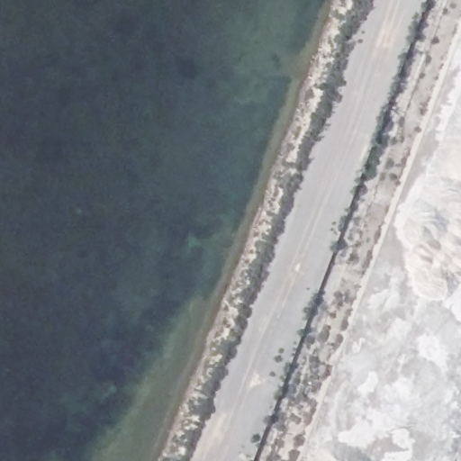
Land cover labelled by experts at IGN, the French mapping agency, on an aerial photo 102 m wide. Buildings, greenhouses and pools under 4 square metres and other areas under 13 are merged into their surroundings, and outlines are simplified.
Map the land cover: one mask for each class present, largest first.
<instances>
[{"label":"water","instance_id":"1","mask_svg":"<svg viewBox=\"0 0 461 461\"><path fill-rule=\"evenodd\" d=\"M331 0H0V461H157L167 439L184 400V394L187 393V387L191 384V378L202 358L207 333L220 312L223 294L229 290L230 279L234 276V270L245 252L252 221L263 205L270 178V169L276 164L277 155L281 153V144L286 137L290 124L294 122L301 88L312 72L313 58L317 56V50L321 47L322 32L326 31V25L330 22Z\"/></svg>","mask_w":461,"mask_h":461},{"label":"pervious surface","instance_id":"2","mask_svg":"<svg viewBox=\"0 0 461 461\"><path fill-rule=\"evenodd\" d=\"M353 7V0H331L330 22L326 25V31L322 32L321 47L317 50V56L313 58L312 72L301 88L294 122L290 124L286 137L292 144L288 162L297 160L304 137L310 130L312 115L321 103L322 83H326L328 79V63L335 61V52L339 49L337 34L340 27L348 22L346 13ZM425 4V0H375L371 13L367 14L366 22H362L351 38L353 50L349 52L348 67L344 70L346 83L339 88L340 101L333 104V112L322 130L321 140L313 146L310 153V166L304 171L303 184L295 193L294 207L286 216L285 230L277 240L274 259L268 265L267 279L263 281L258 297L252 304V313L241 337V344L236 349L234 358L230 360L227 376L221 380L220 389L214 396V412L205 423V429L196 443L191 461H252L256 454V443L252 441V436L263 434L268 416L274 412L276 393L283 385L285 367L292 362L295 346L299 342V333L306 324L304 310L308 308L313 295L321 286L324 270L330 261L331 245L339 240L340 218L348 211L357 178L362 173L367 153L371 149L378 117L389 99L394 76L400 68V56L409 49L407 36L411 32L414 14L421 13V5ZM393 126L389 130L387 146L380 155L375 176L366 182V193L360 196L353 220L349 221L344 240L346 249L339 250V258L324 292L326 304L335 301L337 292H349L355 301L353 312L349 315L348 328L342 335V344L331 355L330 376L322 382L319 393L310 394V398L317 402V409L313 414L312 423L306 427L304 443L299 447V456L295 461H461V0H434V7L423 29V40L418 41L416 45V54L405 81V88L402 94L398 95V101L391 113ZM285 194L283 187L277 185V180L270 178L263 205L252 221L245 252L234 270V276L230 279L229 290L223 294L220 312L207 333L202 358L191 378V384L187 387V393L184 394V400L167 439L173 441L175 436H182L187 430L196 429V421L191 420L193 412L189 409L200 403L203 384L211 380L214 367L221 360V342L227 339L221 335V331L223 328L234 330V326L227 321V312L229 308L240 310L241 292L250 285V265L258 256L256 245L258 241L265 240L268 230L272 229V220L279 212Z\"/></svg>","mask_w":461,"mask_h":461},{"label":"brushwood","instance_id":"3","mask_svg":"<svg viewBox=\"0 0 461 461\"><path fill-rule=\"evenodd\" d=\"M375 0H353V7L346 13L348 22L340 27L337 34L339 49L335 52V61L328 63V79L326 83H322L321 103L312 115L310 130L304 137L297 160L288 162L292 144L286 137L281 144V153L277 155L276 164L270 169V178L277 180V185L283 187L285 194L279 212L272 220V229L268 230L265 240L258 241L256 245L258 256L250 265V285L241 292L240 310L229 308L227 312V321L234 326V330L223 328L221 331V335L227 339L221 342V360L214 367L211 380L203 384L200 403L189 409L193 412L191 420L196 421V429L187 430L182 436H175L173 441L167 439L157 461H191L196 443L205 429V423L214 412V396L220 389L221 380L227 376L230 360L234 358L236 349L241 344V337L252 313V304L258 297L263 281L267 279L268 265L274 259L277 240L285 230L286 216L294 207L295 193L303 184L304 171L310 166V153L313 146L321 140L322 130L333 112V104L340 101L339 88L346 83L344 70L348 67L349 52L353 50L351 38L362 22H366L367 14L371 13ZM434 7V0H425V4L421 5V13L414 14L411 32L407 36L409 49L400 56V68L394 76L389 99L378 117L371 149L367 153L362 173L357 178L348 211L340 218L339 240L331 245L330 261L324 270L321 286L313 295L308 308L304 310L306 324L299 333V342L295 346L292 362L285 367L283 385L276 393L274 412L268 416L263 434L252 436V441L256 443V454L252 461H295L299 456V447L304 443L306 427L312 423L313 414L317 409V402L310 398V394L319 393L322 382L330 376L331 355L342 344V335L348 328L349 315L353 312L355 301L349 292H337L335 301L326 304L324 292L339 258V250L346 249L344 240L349 221L353 220L360 196L366 193V182L375 176L380 155L387 146L389 130L393 126L391 113L398 101V95L402 94L405 88V81L416 54V45L418 41L423 40V29Z\"/></svg>","mask_w":461,"mask_h":461}]
</instances>
